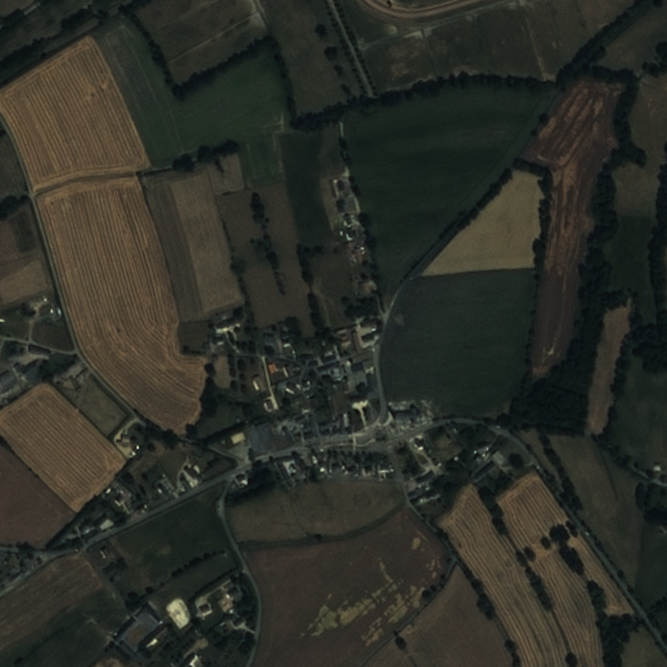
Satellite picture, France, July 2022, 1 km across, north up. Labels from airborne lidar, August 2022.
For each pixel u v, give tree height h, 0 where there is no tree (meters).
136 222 0
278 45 11
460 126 0
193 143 0
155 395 0
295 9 0
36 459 0
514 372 0
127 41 0
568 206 0
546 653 0
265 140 0
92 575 0
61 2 0
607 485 0
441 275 0
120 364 0
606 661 14
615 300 19
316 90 0
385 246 0
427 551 0
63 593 0
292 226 0
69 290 0
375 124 0
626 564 0
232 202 0
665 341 17
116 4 0
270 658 0
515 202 0
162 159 0
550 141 0
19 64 11
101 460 0
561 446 0
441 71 0
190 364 0
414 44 0
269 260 12
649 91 0
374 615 0
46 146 0
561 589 0
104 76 0
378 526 0
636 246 0
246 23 0
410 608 0
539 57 0
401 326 0
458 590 0
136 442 8
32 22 0
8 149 0
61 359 0
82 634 0
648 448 0
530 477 0
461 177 0
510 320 0
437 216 0
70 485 0
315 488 0
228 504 12
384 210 0
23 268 0
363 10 0
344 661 0
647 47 0
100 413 0
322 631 0
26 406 0
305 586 0
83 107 0
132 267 0
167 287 0
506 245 0
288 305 0
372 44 0
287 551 0
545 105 0
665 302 18
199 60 0
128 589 0
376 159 0
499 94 0
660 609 11
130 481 20
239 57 13
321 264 0
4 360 0
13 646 0
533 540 0
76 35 0
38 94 0
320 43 0
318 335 12
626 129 15
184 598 0
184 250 0
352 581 0
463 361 0
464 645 0
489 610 15
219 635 6
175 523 0
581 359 14
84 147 0
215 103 0
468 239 0
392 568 0
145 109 0
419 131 0
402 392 0
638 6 12
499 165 0
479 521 0
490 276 0
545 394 12
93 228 0
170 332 0
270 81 0
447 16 0
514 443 0
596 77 18
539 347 0
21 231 0
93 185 0
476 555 0
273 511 0
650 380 0
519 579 0
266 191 0
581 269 13
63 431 0
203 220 0
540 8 0
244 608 7
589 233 0
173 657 5
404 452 10
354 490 0
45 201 0
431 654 0
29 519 0
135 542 0
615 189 15
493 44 0
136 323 0
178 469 0
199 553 0
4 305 0
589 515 0
